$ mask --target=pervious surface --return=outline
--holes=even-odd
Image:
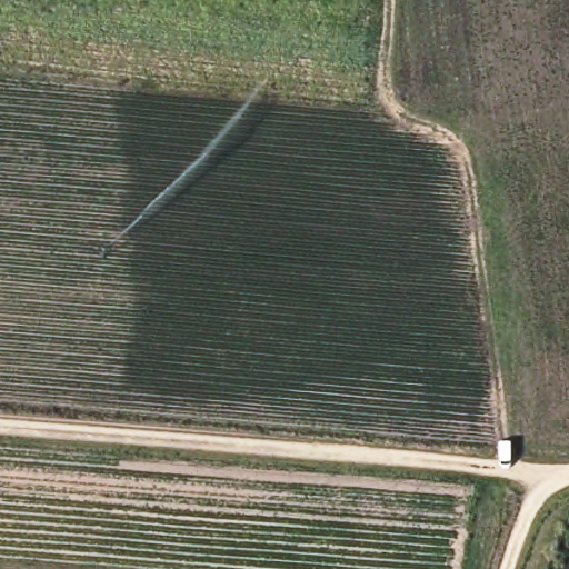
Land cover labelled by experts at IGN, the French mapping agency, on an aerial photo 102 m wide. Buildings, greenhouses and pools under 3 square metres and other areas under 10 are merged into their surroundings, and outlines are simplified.
[[[64,418],[0,413],[0,433],[27,438],[200,449],[224,453],[256,453],[305,460],[420,467],[462,471],[476,476],[498,476],[509,480],[516,480],[525,487],[525,500],[513,525],[500,569],[516,569],[536,513],[551,493],[569,487],[569,465],[511,462],[511,436],[502,371],[496,371],[496,378],[489,382],[493,438],[498,440],[496,458],[467,458],[353,445],[287,442],[264,438],[229,438],[211,433],[122,429],[102,425],[91,427],[76,425],[73,420]]]
[[[473,173],[469,149],[462,138],[458,138],[451,129],[442,127],[440,122],[407,111],[396,100],[391,62],[396,47],[398,0],[382,0],[382,31],[378,44],[376,76],[378,100],[393,116],[398,133],[425,136],[427,142],[447,147],[451,153],[449,160],[458,162],[465,196],[465,224],[458,229],[458,233],[460,238],[469,240],[469,258],[476,273],[476,285],[480,285],[489,276],[482,211],[478,200],[478,180]]]

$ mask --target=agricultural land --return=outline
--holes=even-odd
[[[305,460],[256,453],[224,453],[200,449],[27,438],[0,433],[0,558],[129,569],[480,569],[485,558],[480,553],[478,538],[487,531],[485,520],[498,518],[498,507],[507,502],[509,496],[505,496],[505,482],[509,480],[498,476],[476,476],[462,471],[420,467]]]
[[[378,44],[382,31],[382,0],[0,0],[0,413],[64,418],[73,420],[76,425],[91,427],[102,425],[122,429],[211,433],[229,438],[264,438],[287,442],[353,445],[467,458],[496,458],[498,440],[493,438],[489,382],[496,378],[496,371],[502,371],[511,436],[511,462],[569,465],[569,0],[398,0],[396,47],[391,62],[396,100],[407,111],[440,122],[442,127],[451,129],[458,138],[462,138],[469,149],[473,173],[478,180],[478,200],[482,211],[489,276],[480,285],[476,285],[476,273],[469,258],[469,240],[460,238],[458,233],[458,229],[465,224],[465,196],[458,162],[449,160],[451,153],[447,147],[427,142],[425,136],[398,133],[393,116],[378,100],[376,76]]]

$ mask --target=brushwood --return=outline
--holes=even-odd
[[[569,569],[569,518],[562,522],[565,529],[556,549],[556,556],[562,560],[562,569]]]

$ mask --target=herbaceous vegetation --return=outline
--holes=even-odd
[[[0,569],[129,569],[0,558]]]
[[[562,522],[569,518],[569,487],[551,493],[536,513],[516,569],[562,569],[562,560],[556,556],[556,549],[565,529]]]
[[[525,500],[525,487],[516,480],[509,480],[505,482],[505,496],[509,496],[507,502],[498,507],[498,518],[485,520],[487,531],[478,538],[480,553],[485,558],[480,569],[500,569],[513,525]]]

